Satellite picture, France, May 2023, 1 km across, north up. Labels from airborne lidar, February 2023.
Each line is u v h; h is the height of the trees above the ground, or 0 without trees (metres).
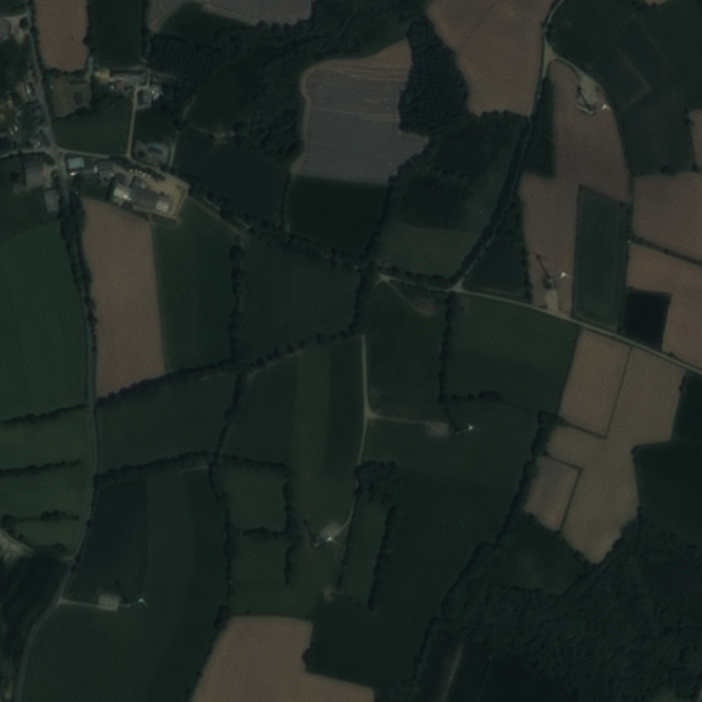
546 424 18
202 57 24
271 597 0
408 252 0
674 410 0
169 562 0
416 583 0
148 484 0
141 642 0
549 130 10
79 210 15
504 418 0
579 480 0
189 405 0
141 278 0
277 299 0
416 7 13
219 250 0
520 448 0
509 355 0
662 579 0
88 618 0
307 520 0
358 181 0
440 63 30
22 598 0
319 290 0
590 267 0
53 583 0
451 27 0
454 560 0
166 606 0
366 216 0
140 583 0
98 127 0
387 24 0
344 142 0
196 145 0
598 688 6
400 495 10
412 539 0
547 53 0
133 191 0
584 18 0
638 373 0
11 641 0
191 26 0
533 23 0
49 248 0
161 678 0
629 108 0
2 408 0
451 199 0
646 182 0
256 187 0
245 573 0
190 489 0
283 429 0
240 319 16
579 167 0
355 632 0
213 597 0
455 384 0
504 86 0
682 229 0
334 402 0
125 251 0
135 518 0
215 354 0
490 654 0
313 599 0
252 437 0
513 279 0
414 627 0
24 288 0
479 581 12
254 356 0
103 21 0
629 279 0
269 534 16
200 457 13
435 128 28
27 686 0
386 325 0
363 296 18
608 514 0
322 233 0
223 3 0
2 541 0
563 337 0
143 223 0
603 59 0
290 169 0
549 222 0
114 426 0
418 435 0
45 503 0
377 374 0
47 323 0
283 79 12
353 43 10
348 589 0
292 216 0
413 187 0
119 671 0
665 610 6
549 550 0
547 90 15
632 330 0
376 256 15
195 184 19
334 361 0
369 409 0
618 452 0
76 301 0
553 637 13
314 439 0
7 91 6
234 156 0
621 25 0
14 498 0
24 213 0
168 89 14
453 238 0
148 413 0
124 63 0
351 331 13
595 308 0
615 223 0
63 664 0
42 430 0
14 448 0
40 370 0
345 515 0
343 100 0
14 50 0
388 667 0
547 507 0
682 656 12
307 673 0
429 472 0
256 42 6
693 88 0
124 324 0
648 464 0
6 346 0
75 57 0
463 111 13
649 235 0
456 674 0
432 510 0
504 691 0
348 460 0
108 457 0
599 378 0
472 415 0
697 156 0
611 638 12
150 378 0
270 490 0
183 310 0
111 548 0
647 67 0
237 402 15
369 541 0
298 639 0
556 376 0
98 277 0
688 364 0
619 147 0
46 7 0
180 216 0
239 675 0
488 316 0
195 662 0
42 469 6
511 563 0
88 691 0
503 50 0
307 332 0
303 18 0
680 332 0
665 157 0
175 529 0
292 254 19
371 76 0
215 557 0
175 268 0
